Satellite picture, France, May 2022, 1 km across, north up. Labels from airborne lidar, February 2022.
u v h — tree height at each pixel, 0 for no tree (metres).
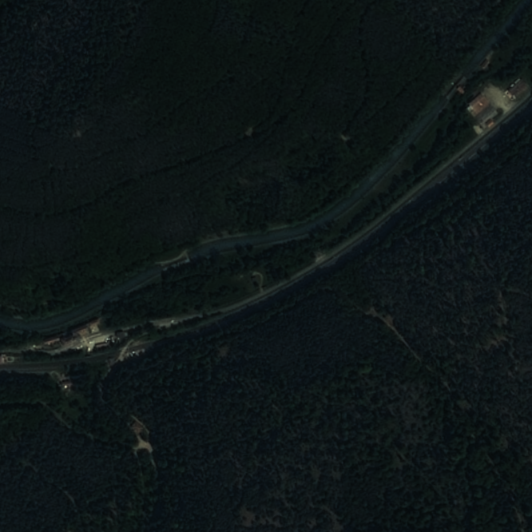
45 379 11
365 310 17
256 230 23
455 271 26
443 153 25
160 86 20
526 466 6
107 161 22
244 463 28
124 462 29
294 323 23
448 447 30
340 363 27
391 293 28
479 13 22
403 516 10
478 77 13
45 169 16
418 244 31
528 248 32
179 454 29
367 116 18
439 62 20
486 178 29
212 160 19
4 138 19
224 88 20
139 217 21
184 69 23
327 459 31
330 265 0
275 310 20
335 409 12
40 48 31
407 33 21
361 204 0
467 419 20
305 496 11
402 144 0
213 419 25
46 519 26
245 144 17
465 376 27
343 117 19
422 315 27
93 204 29
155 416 30
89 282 22
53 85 24
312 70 21
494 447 32
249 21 36
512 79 11
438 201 30
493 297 29
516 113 0
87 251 23
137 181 20
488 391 20
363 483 13
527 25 20
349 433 27
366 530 9
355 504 11
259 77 18
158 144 18
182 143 19
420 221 21
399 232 21
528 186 11
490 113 0
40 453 28
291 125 18
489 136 0
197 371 13
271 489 25
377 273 24
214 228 18
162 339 0
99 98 12
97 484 25
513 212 30
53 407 22
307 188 27
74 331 0
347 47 21
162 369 23
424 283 29
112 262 27
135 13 19
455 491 9
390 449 9
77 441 31
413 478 11
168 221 23
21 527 24
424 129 0
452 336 25
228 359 9
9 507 24
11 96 26
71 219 23
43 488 27
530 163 25
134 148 24
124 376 29
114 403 17
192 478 28
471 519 27
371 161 18
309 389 32
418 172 21
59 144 14
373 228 0
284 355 25
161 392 21
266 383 29
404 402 9
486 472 32
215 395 30
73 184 20
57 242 22
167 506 31
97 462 25
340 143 16
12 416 27
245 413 31
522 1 0
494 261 25
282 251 22
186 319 0
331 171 27
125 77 15
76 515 22
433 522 31
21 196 18
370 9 23
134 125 23
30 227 16
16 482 26
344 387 11
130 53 15
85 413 15
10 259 13
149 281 0
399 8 24
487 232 31
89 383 23
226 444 31
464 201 30
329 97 21
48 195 18
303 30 26
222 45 26
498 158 17
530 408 10
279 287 0
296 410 24
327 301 23
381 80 19
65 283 28
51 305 16
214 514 11
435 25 26
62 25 24
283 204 20
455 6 24
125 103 13
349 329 26
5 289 17
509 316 7
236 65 21
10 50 29
